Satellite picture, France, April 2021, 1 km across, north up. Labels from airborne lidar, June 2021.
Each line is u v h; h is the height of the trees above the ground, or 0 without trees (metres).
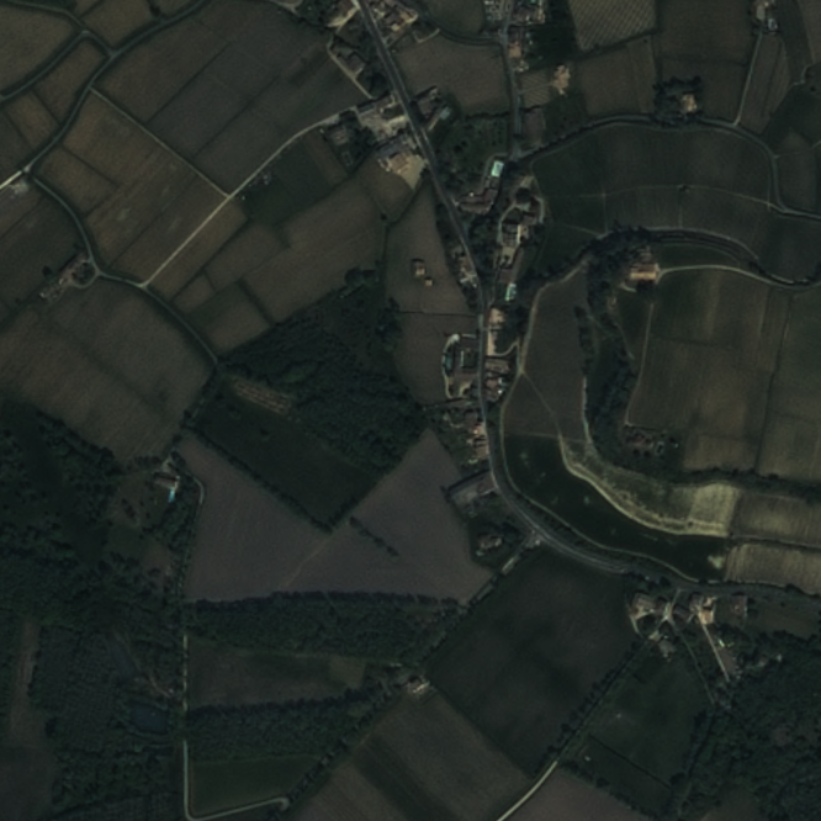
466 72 0
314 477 0
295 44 0
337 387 11
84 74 0
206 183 0
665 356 0
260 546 0
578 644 0
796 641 10
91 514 11
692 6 0
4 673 15
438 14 0
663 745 0
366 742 0
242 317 0
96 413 0
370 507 0
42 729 0
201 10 0
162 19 10
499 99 0
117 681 18
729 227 0
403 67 0
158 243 0
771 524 0
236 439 0
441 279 0
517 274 0
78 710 18
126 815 16
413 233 0
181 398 0
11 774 0
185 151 0
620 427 9
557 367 0
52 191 0
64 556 12
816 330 0
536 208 15
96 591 10
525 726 0
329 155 0
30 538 9
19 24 0
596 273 11
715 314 0
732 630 13
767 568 0
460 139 0
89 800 10
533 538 0
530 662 0
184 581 13
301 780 0
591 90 0
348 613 13
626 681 8
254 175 0
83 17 0
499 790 0
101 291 0
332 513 0
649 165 0
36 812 0
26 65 0
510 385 7
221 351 0
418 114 12
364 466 11
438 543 0
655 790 0
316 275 0
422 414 9
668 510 0
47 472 0
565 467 0
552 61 0
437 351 0
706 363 0
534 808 0
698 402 0
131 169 0
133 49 0
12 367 0
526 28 6
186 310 0
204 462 0
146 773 13
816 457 0
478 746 0
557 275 17
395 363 0
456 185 12
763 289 0
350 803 0
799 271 0
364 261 0
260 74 0
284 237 0
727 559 0
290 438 0
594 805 0
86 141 0
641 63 0
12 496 0
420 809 0
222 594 0
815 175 0
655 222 0
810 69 0
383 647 18
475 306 12
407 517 0
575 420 0
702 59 0
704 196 0
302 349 7
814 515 0
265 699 0
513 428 0
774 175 0
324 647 13
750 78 0
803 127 0
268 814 0
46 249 0
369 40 14
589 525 0
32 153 0
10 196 0
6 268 0
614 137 0
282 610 18
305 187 0
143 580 15
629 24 0
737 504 0
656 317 0
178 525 13
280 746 19
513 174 13
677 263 0
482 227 12
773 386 0
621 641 0
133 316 0
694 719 0
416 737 0
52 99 0
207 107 0
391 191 0
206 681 0
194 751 15
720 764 14
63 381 0
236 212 0
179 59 0
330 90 0
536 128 0
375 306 0
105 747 15
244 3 0
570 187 0
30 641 0
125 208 0
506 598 0
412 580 0
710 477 9
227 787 0
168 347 0
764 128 0
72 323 0
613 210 0
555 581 0
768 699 15
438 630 15
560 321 0
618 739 0
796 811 12
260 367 7
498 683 0
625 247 15
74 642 19
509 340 10
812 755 8
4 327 0
